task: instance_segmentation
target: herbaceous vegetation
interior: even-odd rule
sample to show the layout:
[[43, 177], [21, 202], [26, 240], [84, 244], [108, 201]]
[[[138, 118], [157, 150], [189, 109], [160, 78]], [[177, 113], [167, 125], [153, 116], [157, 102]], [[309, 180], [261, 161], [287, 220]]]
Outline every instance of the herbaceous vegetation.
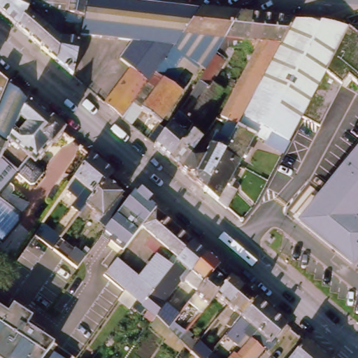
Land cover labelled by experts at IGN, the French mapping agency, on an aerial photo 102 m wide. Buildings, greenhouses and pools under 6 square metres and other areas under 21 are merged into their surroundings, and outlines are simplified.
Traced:
[[215, 83], [220, 84], [217, 87], [217, 94], [220, 98], [217, 101], [222, 106], [231, 95], [232, 87], [238, 78], [242, 76], [248, 62], [246, 57], [253, 53], [252, 39], [243, 38], [238, 45], [234, 45], [231, 46], [234, 55], [229, 57], [228, 66], [222, 69], [214, 78]]
[[351, 320], [358, 322], [358, 310], [354, 306], [348, 306], [345, 299], [341, 299], [336, 292], [317, 280], [305, 266], [301, 266], [296, 260], [292, 264], [298, 273], [308, 278], [323, 292], [326, 296], [324, 302], [331, 301], [338, 309], [347, 313]]
[[94, 351], [91, 352], [95, 358], [124, 358], [124, 347], [137, 340], [136, 333], [131, 333], [127, 329], [131, 323], [129, 313], [129, 309], [122, 305], [109, 317], [109, 322], [106, 322], [103, 329], [96, 331]]
[[253, 154], [249, 162], [245, 168], [246, 172], [241, 175], [241, 187], [256, 201], [266, 186], [268, 173], [273, 172], [274, 165], [280, 161], [282, 155], [260, 150]]

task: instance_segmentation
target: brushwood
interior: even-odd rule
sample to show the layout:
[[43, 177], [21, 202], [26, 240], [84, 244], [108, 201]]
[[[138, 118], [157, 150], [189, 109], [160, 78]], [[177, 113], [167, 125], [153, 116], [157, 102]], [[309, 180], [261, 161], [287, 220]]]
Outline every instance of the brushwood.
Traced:
[[136, 333], [140, 331], [140, 327], [145, 329], [150, 322], [138, 310], [136, 313], [129, 313], [131, 323], [127, 329], [131, 333]]

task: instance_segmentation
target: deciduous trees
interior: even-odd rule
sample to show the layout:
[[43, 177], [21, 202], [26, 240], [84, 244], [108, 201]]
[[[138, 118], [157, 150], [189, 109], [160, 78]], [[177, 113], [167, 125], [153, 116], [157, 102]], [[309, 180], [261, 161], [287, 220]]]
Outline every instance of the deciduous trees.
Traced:
[[15, 271], [8, 259], [17, 260], [20, 256], [14, 250], [8, 253], [0, 252], [0, 288], [7, 289], [14, 280]]

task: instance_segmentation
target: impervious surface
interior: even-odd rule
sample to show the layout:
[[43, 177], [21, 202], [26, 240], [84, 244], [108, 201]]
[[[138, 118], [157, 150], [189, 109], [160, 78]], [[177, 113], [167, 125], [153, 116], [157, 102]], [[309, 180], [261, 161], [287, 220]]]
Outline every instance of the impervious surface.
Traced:
[[239, 0], [246, 10], [270, 6], [271, 13], [284, 13], [284, 21], [287, 24], [291, 24], [296, 17], [330, 18], [354, 25], [358, 29], [358, 0]]
[[234, 45], [222, 36], [215, 46], [218, 55], [224, 59], [221, 63], [222, 69], [228, 66], [229, 57], [234, 55], [231, 46]]
[[308, 278], [298, 273], [292, 264], [296, 260], [301, 266], [305, 266], [317, 280], [336, 292], [341, 299], [345, 299], [348, 306], [354, 306], [358, 310], [358, 263], [352, 262], [350, 266], [343, 262], [305, 229], [299, 227], [292, 215], [292, 207], [309, 187], [313, 187], [319, 193], [358, 144], [358, 95], [350, 89], [341, 88], [331, 103], [322, 126], [312, 131], [306, 124], [298, 123], [289, 138], [287, 151], [282, 155], [280, 161], [274, 165], [273, 172], [268, 173], [266, 186], [256, 201], [241, 187], [241, 175], [246, 172], [245, 168], [232, 176], [222, 193], [217, 194], [197, 178], [196, 169], [187, 166], [186, 175], [182, 175], [171, 159], [158, 152], [155, 141], [145, 137], [134, 127], [134, 123], [117, 119], [106, 105], [106, 96], [112, 94], [113, 89], [127, 73], [127, 67], [123, 66], [120, 59], [130, 42], [157, 41], [172, 45], [182, 31], [122, 22], [87, 20], [69, 11], [50, 6], [43, 0], [24, 0], [29, 4], [28, 14], [55, 36], [57, 41], [78, 46], [74, 74], [70, 74], [59, 63], [46, 56], [31, 39], [21, 34], [10, 20], [0, 13], [0, 71], [6, 74], [8, 80], [17, 85], [24, 95], [34, 96], [34, 102], [29, 106], [39, 115], [45, 116], [46, 113], [53, 112], [56, 115], [56, 122], [62, 122], [67, 127], [67, 136], [64, 137], [67, 147], [62, 148], [57, 154], [49, 152], [42, 158], [48, 165], [39, 180], [41, 189], [28, 189], [17, 179], [10, 179], [10, 189], [14, 190], [15, 196], [27, 201], [27, 207], [22, 210], [25, 214], [34, 213], [35, 207], [42, 200], [45, 200], [46, 207], [49, 207], [59, 194], [57, 185], [63, 179], [73, 178], [80, 165], [87, 164], [87, 152], [98, 154], [106, 164], [110, 164], [110, 168], [122, 171], [126, 187], [136, 190], [140, 186], [145, 186], [151, 190], [151, 199], [157, 204], [157, 220], [171, 217], [171, 220], [178, 221], [183, 231], [189, 232], [200, 245], [203, 245], [197, 256], [203, 257], [208, 252], [218, 256], [220, 264], [217, 267], [222, 274], [227, 275], [227, 280], [231, 284], [252, 298], [255, 306], [266, 301], [267, 306], [263, 313], [270, 317], [271, 322], [280, 327], [289, 326], [299, 334], [299, 337], [309, 338], [317, 348], [326, 352], [324, 358], [358, 358], [358, 322], [351, 320], [347, 313], [338, 309], [331, 301], [324, 302], [326, 296], [323, 292]]
[[249, 162], [253, 154], [260, 150], [282, 155], [280, 151], [268, 145], [267, 138], [256, 137], [250, 141], [252, 150], [243, 154], [243, 159]]
[[137, 340], [124, 347], [124, 358], [192, 358], [186, 350], [175, 351], [165, 344], [164, 338], [155, 336], [151, 331], [150, 322], [145, 329], [140, 327], [140, 331], [136, 333]]
[[228, 3], [235, 3], [238, 0], [169, 0], [197, 6], [210, 3], [210, 6], [214, 7], [227, 7]]
[[110, 231], [105, 231], [91, 248], [85, 248], [81, 263], [77, 263], [77, 270], [63, 263], [35, 238], [31, 239], [20, 256], [17, 260], [8, 259], [15, 271], [14, 280], [7, 289], [0, 288], [0, 302], [10, 306], [11, 302], [17, 301], [25, 308], [31, 309], [34, 312], [32, 323], [49, 334], [55, 333], [57, 329], [63, 329], [64, 333], [77, 341], [80, 347], [77, 354], [80, 358], [95, 358], [91, 352], [94, 351], [96, 331], [103, 329], [106, 322], [109, 322], [109, 317], [122, 305], [119, 299], [122, 294], [103, 278], [103, 274], [116, 262], [113, 255], [116, 252], [109, 246], [109, 242], [115, 239]]

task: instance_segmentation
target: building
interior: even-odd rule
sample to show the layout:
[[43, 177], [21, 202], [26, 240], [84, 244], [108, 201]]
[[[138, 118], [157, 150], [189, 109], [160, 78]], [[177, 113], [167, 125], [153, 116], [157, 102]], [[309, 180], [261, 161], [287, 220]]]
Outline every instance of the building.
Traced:
[[305, 229], [343, 262], [350, 266], [352, 262], [358, 263], [358, 144], [319, 193], [313, 187], [309, 187], [292, 207], [292, 215], [299, 227]]
[[74, 74], [78, 46], [57, 41], [55, 36], [28, 14], [29, 4], [24, 0], [0, 0], [0, 13], [10, 20], [21, 34], [31, 39], [46, 56], [59, 63], [70, 74]]
[[25, 214], [22, 210], [27, 207], [27, 201], [15, 196], [14, 190], [10, 189], [10, 179], [17, 179], [28, 189], [41, 189], [39, 180], [48, 165], [42, 158], [49, 152], [57, 154], [62, 148], [67, 147], [64, 137], [67, 136], [67, 127], [62, 122], [56, 122], [56, 115], [53, 112], [46, 113], [45, 116], [39, 115], [29, 106], [34, 102], [34, 96], [24, 95], [17, 85], [8, 80], [6, 74], [0, 71], [0, 252], [8, 253], [14, 250], [20, 256], [31, 239], [35, 238], [63, 263], [77, 270], [77, 263], [81, 263], [85, 248], [91, 248], [105, 231], [110, 231], [115, 239], [109, 242], [109, 246], [116, 252], [113, 255], [116, 262], [103, 274], [103, 278], [122, 294], [119, 299], [122, 305], [129, 309], [129, 313], [136, 313], [138, 310], [150, 322], [151, 331], [155, 336], [164, 338], [165, 344], [175, 351], [186, 350], [192, 358], [324, 358], [326, 352], [317, 348], [309, 338], [299, 337], [299, 334], [289, 326], [280, 327], [271, 322], [270, 317], [263, 313], [267, 306], [266, 301], [255, 306], [252, 298], [231, 284], [227, 280], [227, 275], [222, 274], [217, 267], [220, 264], [218, 256], [208, 252], [203, 257], [197, 256], [203, 245], [200, 245], [189, 232], [183, 231], [178, 221], [171, 220], [171, 217], [157, 220], [157, 204], [151, 199], [151, 190], [145, 186], [140, 186], [136, 190], [126, 187], [122, 171], [110, 168], [110, 164], [106, 164], [98, 154], [87, 152], [87, 164], [80, 165], [73, 178], [63, 179], [57, 185], [59, 194], [49, 207], [46, 207], [45, 200], [42, 200], [35, 207], [34, 213]]
[[[197, 178], [217, 194], [222, 193], [232, 176], [245, 168], [249, 162], [243, 159], [243, 154], [252, 150], [250, 141], [256, 137], [267, 138], [268, 145], [280, 151], [282, 155], [287, 151], [289, 138], [298, 123], [306, 124], [312, 131], [322, 126], [331, 103], [341, 88], [350, 89], [358, 95], [358, 29], [354, 25], [330, 18], [296, 17], [291, 24], [287, 24], [284, 21], [284, 13], [271, 13], [270, 6], [246, 10], [239, 0], [238, 0], [235, 3], [228, 3], [227, 7], [214, 7], [210, 6], [210, 3], [197, 6], [169, 0], [43, 0], [50, 6], [69, 11], [87, 20], [122, 22], [182, 31], [172, 45], [157, 41], [130, 42], [120, 59], [123, 66], [127, 67], [127, 73], [113, 89], [112, 94], [106, 96], [106, 105], [117, 119], [134, 123], [134, 127], [145, 137], [155, 141], [158, 152], [171, 159], [182, 175], [186, 175], [187, 166], [196, 169]], [[220, 84], [215, 83], [214, 78], [222, 69], [221, 63], [224, 59], [218, 55], [215, 46], [222, 36], [234, 45], [238, 45], [243, 38], [252, 39], [253, 53], [246, 57], [248, 62], [242, 76], [238, 78], [232, 87], [231, 95], [222, 106], [217, 101], [220, 98], [217, 94], [217, 87]]]
[[77, 354], [80, 347], [77, 341], [64, 333], [63, 329], [57, 329], [55, 333], [49, 334], [32, 323], [34, 312], [31, 309], [25, 308], [17, 301], [11, 302], [10, 306], [0, 302], [0, 358], [80, 358]]

